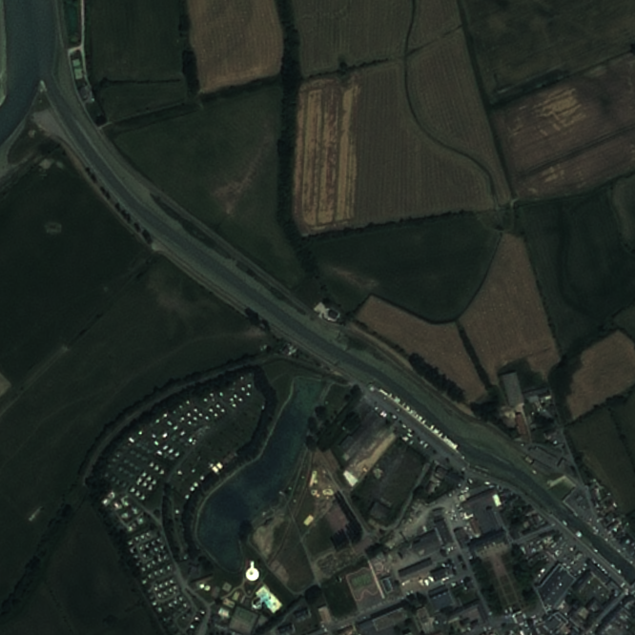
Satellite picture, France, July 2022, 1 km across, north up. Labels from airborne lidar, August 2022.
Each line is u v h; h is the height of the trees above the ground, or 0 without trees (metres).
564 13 0
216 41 0
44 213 0
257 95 0
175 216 0
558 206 0
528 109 0
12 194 0
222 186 0
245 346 0
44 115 0
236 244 0
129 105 0
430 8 0
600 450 0
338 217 0
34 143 0
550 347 0
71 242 0
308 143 0
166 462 6
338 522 0
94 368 0
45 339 0
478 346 0
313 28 0
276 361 0
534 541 0
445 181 0
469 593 0
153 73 0
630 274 0
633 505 0
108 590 0
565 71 0
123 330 0
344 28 0
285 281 0
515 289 0
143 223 0
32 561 6
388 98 0
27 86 0
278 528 0
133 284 0
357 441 0
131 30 0
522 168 0
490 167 0
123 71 0
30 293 0
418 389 0
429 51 0
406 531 0
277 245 0
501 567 0
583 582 0
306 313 0
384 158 0
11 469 0
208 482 10
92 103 0
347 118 0
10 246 0
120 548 12
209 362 0
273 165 0
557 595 0
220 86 0
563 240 0
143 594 7
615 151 0
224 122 0
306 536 0
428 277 0
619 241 0
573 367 0
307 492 0
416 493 12
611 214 0
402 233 0
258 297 0
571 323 0
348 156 0
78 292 0
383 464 0
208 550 0
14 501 0
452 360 0
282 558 0
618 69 0
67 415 0
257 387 11
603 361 0
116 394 0
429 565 0
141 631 0
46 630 0
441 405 0
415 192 0
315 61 0
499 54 0
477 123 0
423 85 0
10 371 0
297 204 0
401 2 0
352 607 0
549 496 0
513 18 0
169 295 0
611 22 0
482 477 0
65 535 0
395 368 0
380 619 0
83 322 0
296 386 0
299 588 0
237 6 0
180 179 0
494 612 13
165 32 0
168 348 0
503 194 0
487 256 0
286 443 0
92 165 0
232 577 0
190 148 0
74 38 0
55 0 0
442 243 0
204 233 0
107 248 0
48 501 0
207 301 0
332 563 0
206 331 0
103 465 12
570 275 0
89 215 0
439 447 0
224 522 0
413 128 0
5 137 0
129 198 0
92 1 0
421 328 0
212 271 0
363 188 0
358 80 0
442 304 0
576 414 0
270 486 0
